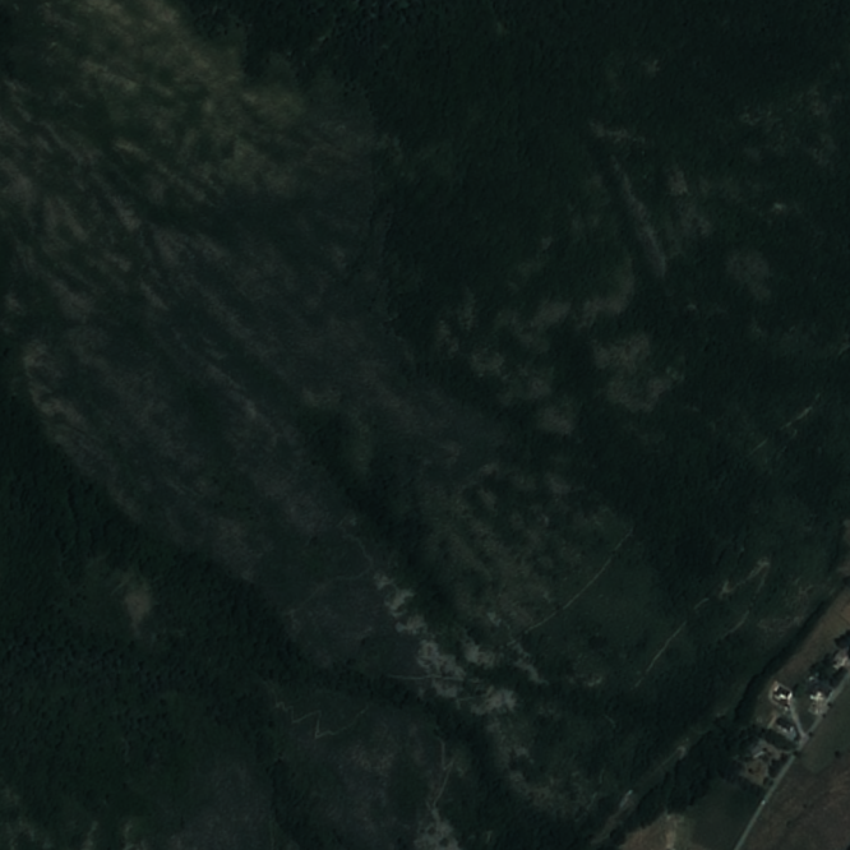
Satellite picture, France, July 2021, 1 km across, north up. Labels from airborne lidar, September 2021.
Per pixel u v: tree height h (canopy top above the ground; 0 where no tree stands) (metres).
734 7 13
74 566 13
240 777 0
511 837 18
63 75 0
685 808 12
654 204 14
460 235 10
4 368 10
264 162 0
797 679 0
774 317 10
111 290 0
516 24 11
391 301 11
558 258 15
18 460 22
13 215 0
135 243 0
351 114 7
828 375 11
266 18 12
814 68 14
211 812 0
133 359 0
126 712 9
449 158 6
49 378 0
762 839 0
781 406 8
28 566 11
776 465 10
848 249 9
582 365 14
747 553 10
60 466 22
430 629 6
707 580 7
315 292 0
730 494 10
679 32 18
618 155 9
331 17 9
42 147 0
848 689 0
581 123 11
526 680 7
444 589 8
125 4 0
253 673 7
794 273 18
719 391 8
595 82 12
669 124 16
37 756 9
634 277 6
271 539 0
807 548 9
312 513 0
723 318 10
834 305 9
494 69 10
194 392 7
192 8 8
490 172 9
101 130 0
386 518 20
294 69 9
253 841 0
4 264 0
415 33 13
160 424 0
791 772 0
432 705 17
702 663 15
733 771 23
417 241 13
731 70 16
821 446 7
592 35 14
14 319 0
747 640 7
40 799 13
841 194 16
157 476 0
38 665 21
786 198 7
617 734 12
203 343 0
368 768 0
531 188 16
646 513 14
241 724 11
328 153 0
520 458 7
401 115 11
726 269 11
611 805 14
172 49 0
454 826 11
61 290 0
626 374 6
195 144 0
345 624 0
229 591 18
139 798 7
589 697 8
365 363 0
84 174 0
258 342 0
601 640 8
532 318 6
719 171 12
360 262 6
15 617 9
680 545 10
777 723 0
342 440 8
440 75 12
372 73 8
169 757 8
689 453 10
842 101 7
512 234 7
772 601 11
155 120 0
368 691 9
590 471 7
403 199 7
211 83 0
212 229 0
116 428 0
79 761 7
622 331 11
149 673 13
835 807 0
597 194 7
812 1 18
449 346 9
